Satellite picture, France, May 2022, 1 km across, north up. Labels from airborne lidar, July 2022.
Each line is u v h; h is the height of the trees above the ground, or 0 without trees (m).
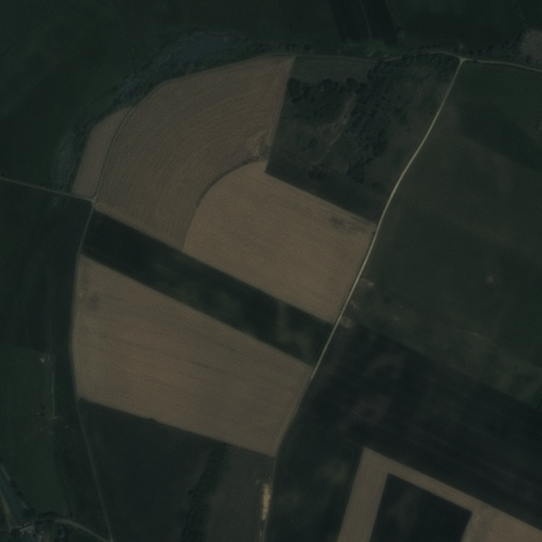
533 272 0
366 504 0
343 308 0
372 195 0
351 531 0
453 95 0
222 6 0
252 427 0
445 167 0
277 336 0
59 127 0
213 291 0
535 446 0
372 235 0
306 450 0
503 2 0
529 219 0
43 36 0
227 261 0
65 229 0
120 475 0
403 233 0
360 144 13
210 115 0
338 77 0
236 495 0
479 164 0
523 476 0
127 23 0
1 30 0
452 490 0
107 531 0
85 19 0
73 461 0
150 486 0
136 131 0
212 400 0
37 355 0
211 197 0
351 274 0
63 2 0
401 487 0
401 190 0
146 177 0
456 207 0
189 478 0
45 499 0
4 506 0
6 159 0
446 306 0
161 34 0
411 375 0
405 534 0
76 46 0
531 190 0
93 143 0
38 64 0
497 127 0
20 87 0
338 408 0
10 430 0
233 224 0
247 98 0
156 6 0
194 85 0
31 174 0
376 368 0
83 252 0
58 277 0
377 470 0
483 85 0
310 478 0
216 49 0
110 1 0
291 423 0
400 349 0
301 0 0
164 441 0
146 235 0
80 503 0
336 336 0
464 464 0
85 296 0
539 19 0
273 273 0
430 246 0
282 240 0
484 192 0
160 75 6
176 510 0
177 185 0
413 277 0
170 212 0
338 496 0
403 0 0
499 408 0
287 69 0
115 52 0
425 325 0
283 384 0
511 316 0
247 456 0
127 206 0
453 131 0
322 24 0
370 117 13
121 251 0
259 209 0
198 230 0
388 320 0
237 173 0
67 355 0
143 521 0
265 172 0
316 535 0
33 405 0
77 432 0
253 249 0
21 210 0
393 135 0
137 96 16
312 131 0
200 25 0
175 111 0
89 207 0
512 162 0
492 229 0
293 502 0
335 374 0
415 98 0
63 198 0
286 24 0
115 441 0
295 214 0
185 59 0
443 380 0
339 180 0
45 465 0
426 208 0
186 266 0
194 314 0
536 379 0
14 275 0
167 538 0
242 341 0
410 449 0
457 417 0
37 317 0
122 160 0
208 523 0
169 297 0
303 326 0
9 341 0
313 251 0
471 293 0
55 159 0
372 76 12
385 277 0
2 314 0
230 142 0
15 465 0
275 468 0
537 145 0
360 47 0
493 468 0
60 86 0
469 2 0
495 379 0
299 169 0
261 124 0
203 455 0
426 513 0
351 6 0
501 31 0
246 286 0
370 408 0
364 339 0
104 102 0
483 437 0
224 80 0
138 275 0
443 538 0
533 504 0
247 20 0
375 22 0
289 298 0
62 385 0
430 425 0
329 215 0
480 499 0
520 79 0
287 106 0
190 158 0
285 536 0
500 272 0
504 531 0
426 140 0
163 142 0
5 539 14
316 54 0
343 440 0
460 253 0
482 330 0
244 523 0
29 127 0
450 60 13
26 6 0
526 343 0
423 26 0
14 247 0
